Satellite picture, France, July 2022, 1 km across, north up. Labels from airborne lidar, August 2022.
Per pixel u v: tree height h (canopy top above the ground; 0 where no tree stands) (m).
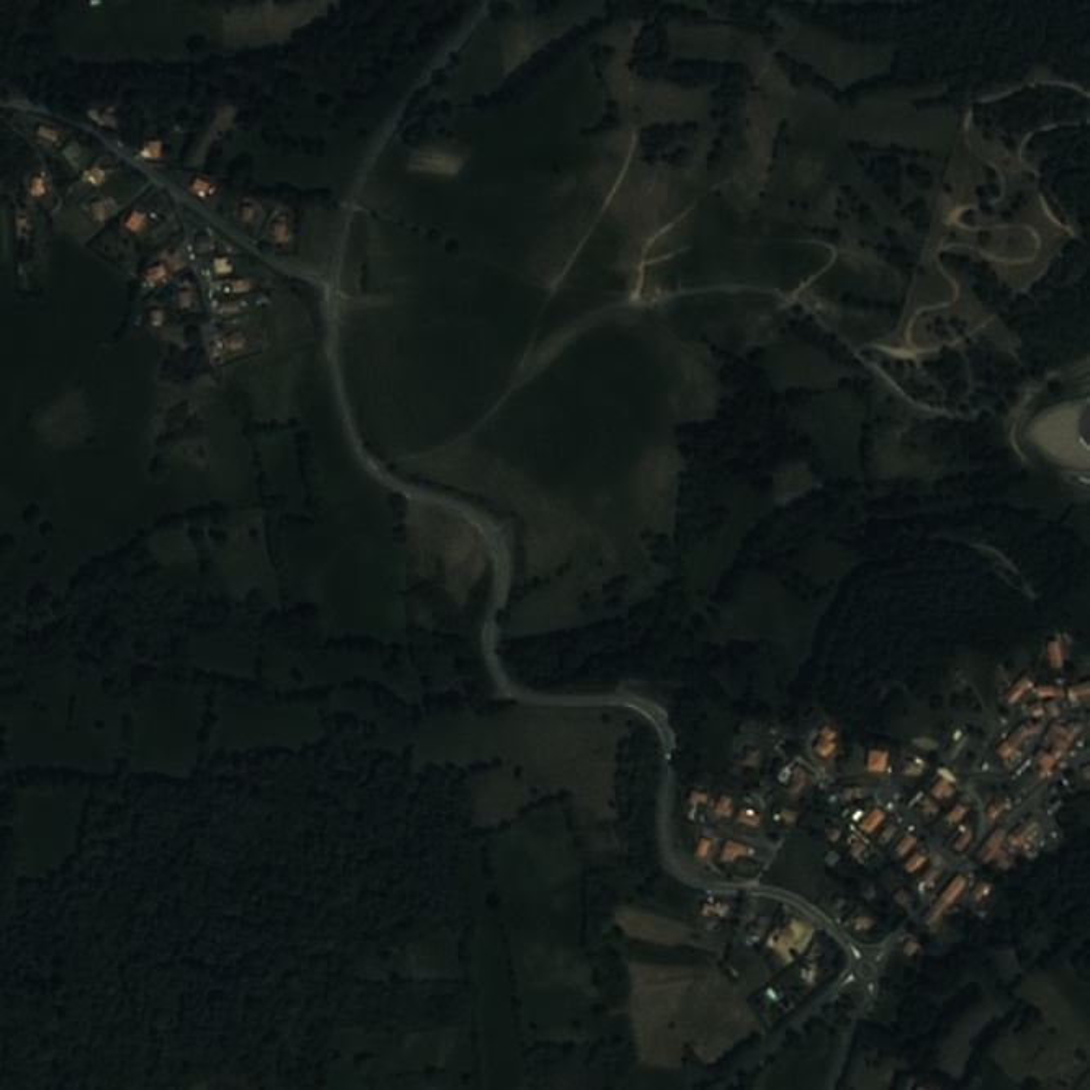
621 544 0
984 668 0
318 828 9
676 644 26
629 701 0
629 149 0
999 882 10
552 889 0
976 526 18
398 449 0
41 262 0
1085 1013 0
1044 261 0
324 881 16
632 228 0
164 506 0
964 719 0
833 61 0
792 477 0
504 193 0
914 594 18
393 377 0
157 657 7
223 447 0
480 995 7
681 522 12
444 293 0
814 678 20
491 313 0
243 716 0
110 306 0
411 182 0
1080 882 16
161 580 7
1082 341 10
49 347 0
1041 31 10
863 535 13
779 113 0
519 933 0
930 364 12
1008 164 0
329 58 14
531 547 0
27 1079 13
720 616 16
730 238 0
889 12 16
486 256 0
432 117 14
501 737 0
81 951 16
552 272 0
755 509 0
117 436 0
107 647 30
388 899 14
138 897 21
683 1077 0
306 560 0
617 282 0
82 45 0
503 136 0
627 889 0
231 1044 11
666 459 0
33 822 0
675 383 0
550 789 0
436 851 23
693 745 12
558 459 0
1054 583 15
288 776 18
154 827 21
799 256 0
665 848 0
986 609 16
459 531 0
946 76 13
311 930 12
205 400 0
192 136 11
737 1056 10
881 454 0
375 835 15
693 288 0
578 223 0
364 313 0
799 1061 0
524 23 0
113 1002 15
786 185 0
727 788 0
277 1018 12
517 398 0
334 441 0
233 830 23
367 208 0
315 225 0
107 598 10
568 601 0
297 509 0
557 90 0
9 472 0
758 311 0
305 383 0
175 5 0
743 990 0
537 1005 0
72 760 0
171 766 0
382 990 12
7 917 8
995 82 14
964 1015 9
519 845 0
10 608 10
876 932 13
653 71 6
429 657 16
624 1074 9
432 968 0
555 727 0
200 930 24
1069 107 15
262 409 0
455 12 16
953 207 0
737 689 0
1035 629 15
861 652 13
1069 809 15
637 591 0
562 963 0
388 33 6
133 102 22
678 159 8
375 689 16
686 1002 0
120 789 11
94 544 0
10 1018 19
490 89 0
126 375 0
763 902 0
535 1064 7
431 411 0
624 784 10
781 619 0
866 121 0
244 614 5
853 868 11
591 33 11
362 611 0
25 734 0
